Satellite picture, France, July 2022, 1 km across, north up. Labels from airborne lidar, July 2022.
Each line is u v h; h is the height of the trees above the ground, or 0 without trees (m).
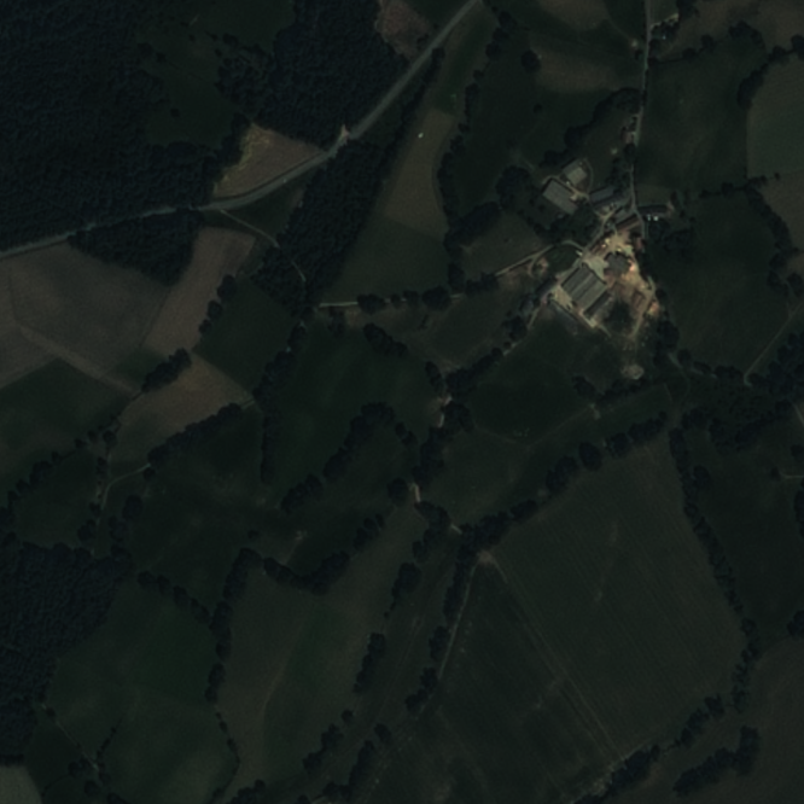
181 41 0
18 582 21
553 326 0
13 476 0
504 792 0
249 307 0
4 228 15
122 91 29
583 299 0
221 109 0
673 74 0
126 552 22
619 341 0
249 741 0
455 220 13
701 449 0
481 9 0
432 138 0
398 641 0
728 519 0
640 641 0
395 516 0
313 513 0
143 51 16
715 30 0
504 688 0
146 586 20
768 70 10
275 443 18
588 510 0
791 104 0
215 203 0
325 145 12
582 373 0
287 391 0
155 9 10
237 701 0
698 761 0
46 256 0
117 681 0
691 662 0
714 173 0
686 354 13
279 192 0
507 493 0
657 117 0
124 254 19
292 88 31
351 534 0
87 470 0
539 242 0
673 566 0
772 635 0
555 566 0
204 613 20
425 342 0
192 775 0
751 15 0
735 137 0
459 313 0
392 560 0
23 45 33
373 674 17
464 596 15
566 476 17
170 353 0
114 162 31
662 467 0
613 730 0
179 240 12
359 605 0
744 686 22
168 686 0
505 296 0
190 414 0
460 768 0
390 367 0
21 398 0
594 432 0
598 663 0
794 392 32
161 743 0
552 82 0
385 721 0
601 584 0
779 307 0
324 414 0
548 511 0
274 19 0
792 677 0
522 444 0
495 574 0
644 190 0
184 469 0
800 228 0
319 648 0
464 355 0
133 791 0
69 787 0
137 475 0
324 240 7
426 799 0
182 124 0
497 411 0
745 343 0
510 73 0
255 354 0
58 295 0
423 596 0
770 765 0
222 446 0
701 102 0
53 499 0
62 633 24
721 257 0
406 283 0
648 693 0
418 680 0
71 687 0
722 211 0
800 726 0
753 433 20
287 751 0
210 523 0
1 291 0
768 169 0
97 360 0
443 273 0
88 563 28
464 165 0
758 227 0
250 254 0
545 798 0
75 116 33
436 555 0
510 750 0
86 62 27
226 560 0
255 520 0
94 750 0
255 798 16
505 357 10
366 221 13
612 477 0
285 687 0
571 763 0
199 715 0
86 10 22
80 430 0
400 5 0
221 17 0
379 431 0
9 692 14
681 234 11
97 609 23
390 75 28
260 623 0
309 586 15
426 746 0
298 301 10
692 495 22
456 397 22
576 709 0
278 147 0
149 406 0
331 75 17
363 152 17
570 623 0
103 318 0
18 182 19
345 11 30
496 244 0
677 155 0
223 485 0
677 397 0
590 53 0
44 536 0
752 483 0
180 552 0
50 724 0
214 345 0
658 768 0
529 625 0
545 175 0
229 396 0
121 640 0
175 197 31
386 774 0
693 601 0
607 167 0
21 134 30
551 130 0
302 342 15
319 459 0
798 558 0
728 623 0
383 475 0
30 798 0
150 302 0
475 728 0
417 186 0
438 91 0
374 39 25
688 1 19
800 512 21
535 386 0
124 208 33
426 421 0
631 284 0
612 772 0
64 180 29
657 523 0
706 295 0
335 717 0
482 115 0
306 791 0
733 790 0
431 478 16
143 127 30
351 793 18
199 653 0
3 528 24
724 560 22
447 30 0
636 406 0
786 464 0
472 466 0
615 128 0
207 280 0
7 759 16
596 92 0
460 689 0
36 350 0
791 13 0
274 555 0
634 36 0
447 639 19
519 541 0
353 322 0
